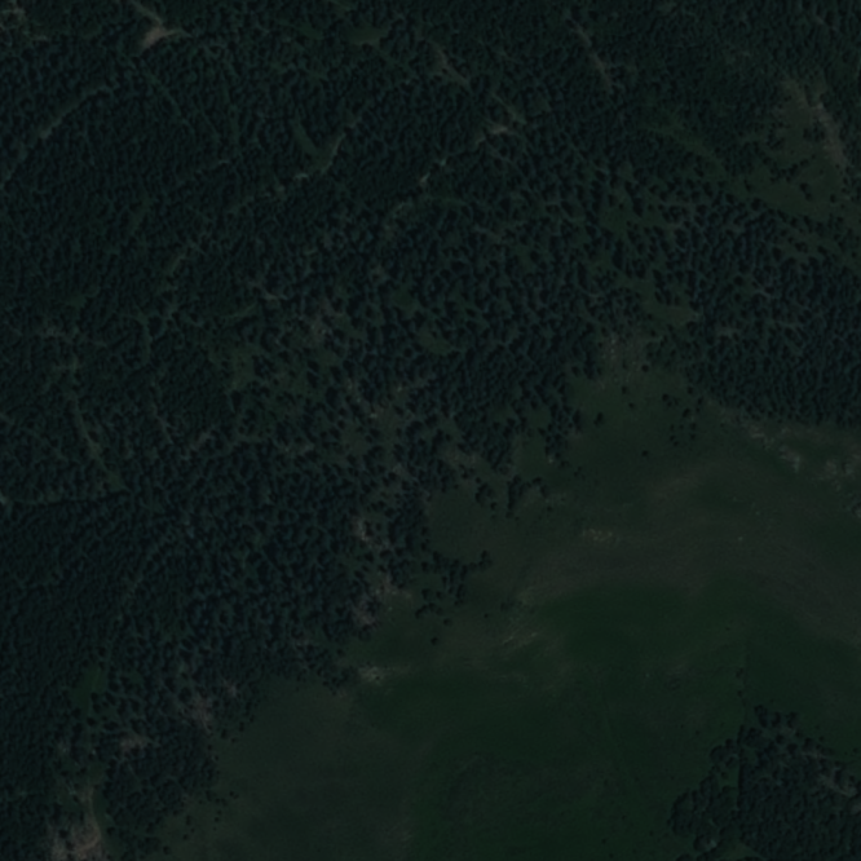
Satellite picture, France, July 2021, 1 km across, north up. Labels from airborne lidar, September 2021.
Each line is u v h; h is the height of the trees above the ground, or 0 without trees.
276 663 17
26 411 18
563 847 0
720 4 16
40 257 23
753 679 0
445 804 0
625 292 14
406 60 23
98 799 0
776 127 12
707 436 0
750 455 0
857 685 0
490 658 0
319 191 17
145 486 35
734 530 0
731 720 0
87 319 18
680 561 0
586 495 0
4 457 26
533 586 0
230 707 14
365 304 28
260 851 0
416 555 14
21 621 20
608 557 0
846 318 21
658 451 0
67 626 9
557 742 0
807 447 0
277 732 0
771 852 18
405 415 23
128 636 18
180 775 16
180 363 17
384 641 0
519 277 23
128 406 9
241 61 22
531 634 0
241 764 0
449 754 0
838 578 0
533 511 0
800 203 0
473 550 0
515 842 0
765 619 0
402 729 0
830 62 25
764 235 19
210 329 17
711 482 0
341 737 0
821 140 10
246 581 29
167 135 18
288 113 26
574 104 19
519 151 23
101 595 15
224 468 26
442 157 23
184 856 0
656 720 0
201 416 11
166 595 15
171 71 25
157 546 20
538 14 9
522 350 23
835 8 15
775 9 30
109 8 12
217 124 20
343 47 8
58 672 10
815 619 0
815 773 16
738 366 17
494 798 0
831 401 15
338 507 27
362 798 0
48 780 18
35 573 13
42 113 16
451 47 9
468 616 0
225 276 18
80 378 8
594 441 0
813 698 0
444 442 22
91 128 11
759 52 6
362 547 13
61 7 22
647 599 0
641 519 0
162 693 19
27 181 19
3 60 30
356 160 8
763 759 21
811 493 0
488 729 0
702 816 14
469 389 22
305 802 0
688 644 0
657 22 14
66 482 31
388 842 0
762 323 10
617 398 0
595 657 0
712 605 0
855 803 22
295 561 27
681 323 0
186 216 18
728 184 7
